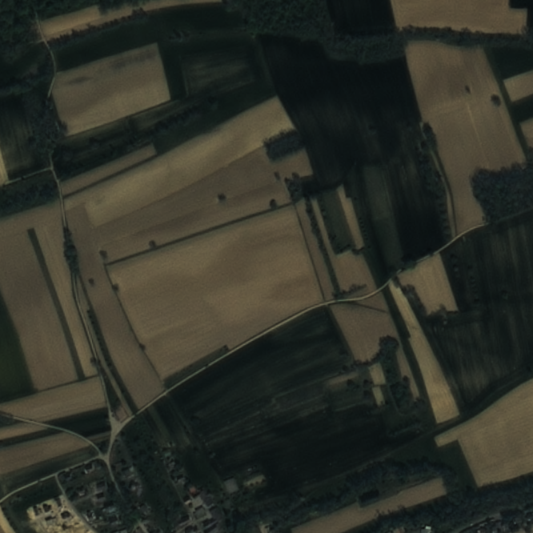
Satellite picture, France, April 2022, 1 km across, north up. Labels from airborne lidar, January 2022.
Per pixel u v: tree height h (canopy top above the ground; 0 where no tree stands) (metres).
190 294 0
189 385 0
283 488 0
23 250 0
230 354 0
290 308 0
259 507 0
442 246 0
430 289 0
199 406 0
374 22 0
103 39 0
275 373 0
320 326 0
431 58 0
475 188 16
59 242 0
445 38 17
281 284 0
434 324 0
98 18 0
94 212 0
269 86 0
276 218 0
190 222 0
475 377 0
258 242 0
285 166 0
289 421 0
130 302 0
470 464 0
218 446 0
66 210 0
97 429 0
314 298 0
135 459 10
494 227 9
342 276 0
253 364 0
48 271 0
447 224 7
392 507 0
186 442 0
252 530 17
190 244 0
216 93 0
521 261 0
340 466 0
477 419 0
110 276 0
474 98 0
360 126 0
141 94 0
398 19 0
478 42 23
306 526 0
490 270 0
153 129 0
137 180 0
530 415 0
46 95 0
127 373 0
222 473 0
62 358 0
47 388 0
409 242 0
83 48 0
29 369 0
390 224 0
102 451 11
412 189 0
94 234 0
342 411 0
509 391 0
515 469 0
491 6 0
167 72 0
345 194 0
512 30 0
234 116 0
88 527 0
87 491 8
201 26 0
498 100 15
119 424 0
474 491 0
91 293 0
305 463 0
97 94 0
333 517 0
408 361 0
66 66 0
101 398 0
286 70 0
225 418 0
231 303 0
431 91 0
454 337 0
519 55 0
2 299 0
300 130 0
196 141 0
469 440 0
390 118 0
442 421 0
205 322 0
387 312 0
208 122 0
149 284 0
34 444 0
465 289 0
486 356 0
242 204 0
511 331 0
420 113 0
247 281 0
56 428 0
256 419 0
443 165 0
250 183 0
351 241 0
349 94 0
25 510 0
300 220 0
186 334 0
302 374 0
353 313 0
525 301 0
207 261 0
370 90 0
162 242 0
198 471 0
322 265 0
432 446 0
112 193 0
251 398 0
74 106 0
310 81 0
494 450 0
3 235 0
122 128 0
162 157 0
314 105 0
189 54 0
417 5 0
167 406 0
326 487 0
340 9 0
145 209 0
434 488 0
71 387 0
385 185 0
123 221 0
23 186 0
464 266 0
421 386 0
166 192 0
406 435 0
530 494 27
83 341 0
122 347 0
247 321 0
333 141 0
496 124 0
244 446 0
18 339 0
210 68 0
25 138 0
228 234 0
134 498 0
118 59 0
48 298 0
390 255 0
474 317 0
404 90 0
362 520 0
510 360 0
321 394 0
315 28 27
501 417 0
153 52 0
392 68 0
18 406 0
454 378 0
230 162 0
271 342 0
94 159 0
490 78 0
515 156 0
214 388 0
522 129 0
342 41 21
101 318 0
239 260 0
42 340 0
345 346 0
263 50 0
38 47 0
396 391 11
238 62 0
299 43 0
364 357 0
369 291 0
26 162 0
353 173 0
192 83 0
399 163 0
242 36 0
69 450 0
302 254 0
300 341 0
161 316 0
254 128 0
